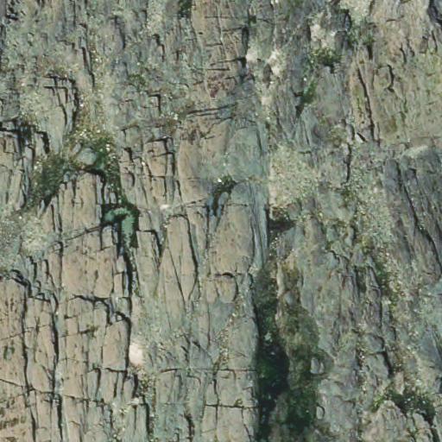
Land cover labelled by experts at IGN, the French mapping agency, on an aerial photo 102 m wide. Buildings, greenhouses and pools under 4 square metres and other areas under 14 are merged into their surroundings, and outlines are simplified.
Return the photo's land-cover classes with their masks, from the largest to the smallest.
<instances>
[{"label":"bare soil","instance_id":"1","mask_svg":"<svg viewBox=\"0 0 442 442\"><path fill-rule=\"evenodd\" d=\"M261 268L268 269L271 278L276 280L278 302L275 321L280 330V338L285 344V354L292 352L299 344L313 350V382L307 383L304 392H318L321 402L316 407V420L311 423L307 442H442V0H0V442H250L249 437L254 435L256 416L250 395L254 387V378L250 376L249 366L256 352L257 330L254 309L250 304L249 275H257Z\"/></svg>","mask_w":442,"mask_h":442},{"label":"water","instance_id":"2","mask_svg":"<svg viewBox=\"0 0 442 442\"><path fill-rule=\"evenodd\" d=\"M250 304L254 309L257 330L256 352L249 366L250 376L254 378V387L250 395L256 416L254 435L249 437L250 442H307L311 423L316 420V407L321 402L318 392H304L307 383L313 382V350L299 344L292 352L285 354V344L280 338V330L275 321L278 302L276 280L271 278L268 269L261 268L257 275H249Z\"/></svg>","mask_w":442,"mask_h":442}]
</instances>
